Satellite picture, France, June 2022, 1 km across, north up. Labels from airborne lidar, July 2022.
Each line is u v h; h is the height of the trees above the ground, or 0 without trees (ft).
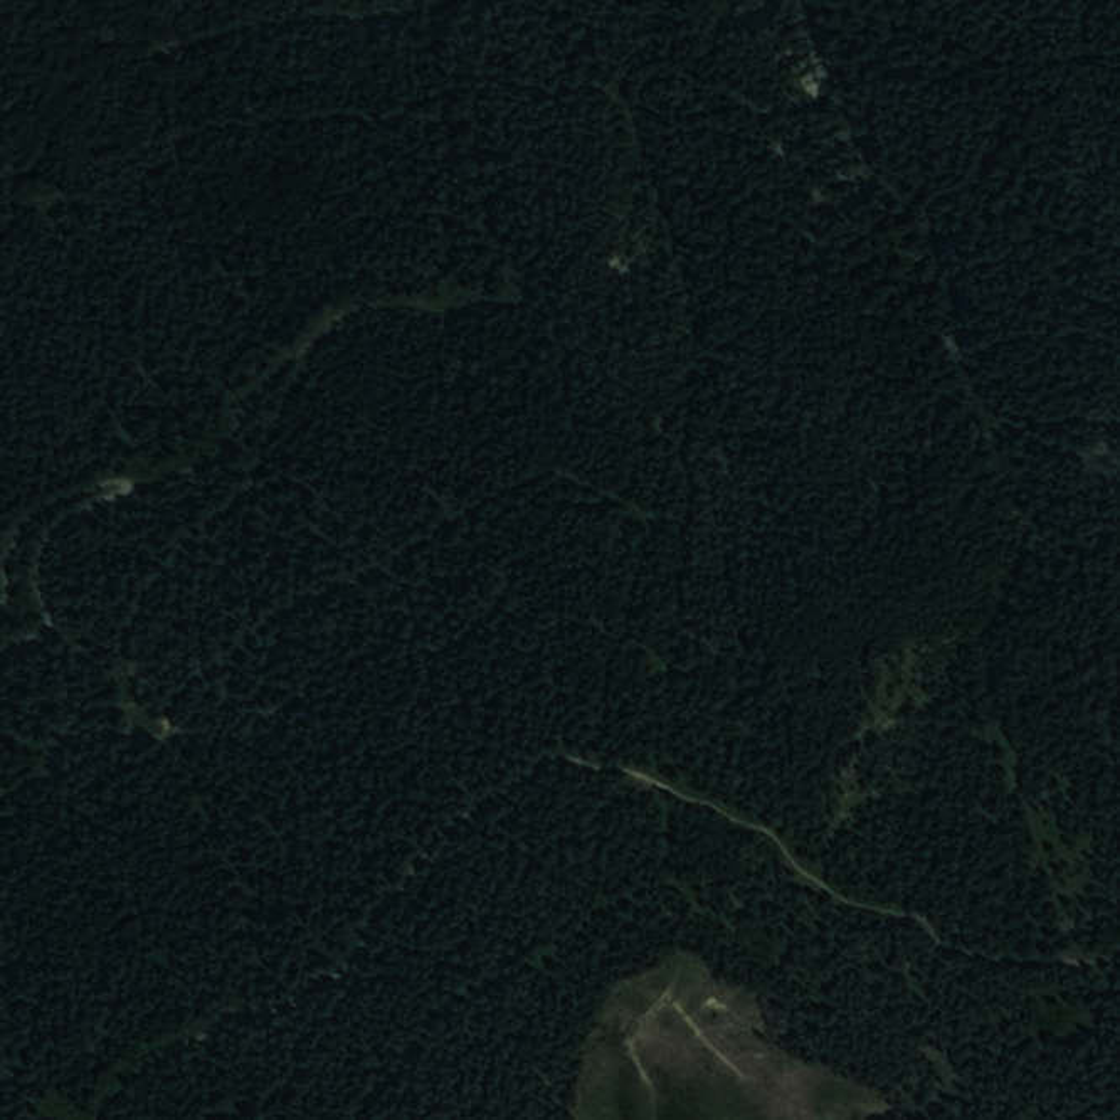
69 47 84
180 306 68
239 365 61
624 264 22
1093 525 89
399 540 65
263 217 59
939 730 91
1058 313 81
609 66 82
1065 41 104
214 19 81
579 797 88
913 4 31
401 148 63
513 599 40
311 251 52
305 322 41
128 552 31
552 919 85
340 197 62
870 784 86
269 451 57
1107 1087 95
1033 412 102
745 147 107
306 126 46
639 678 51
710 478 44
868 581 91
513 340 67
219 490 42
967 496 28
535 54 98
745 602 78
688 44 91
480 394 106
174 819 63
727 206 91
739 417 100
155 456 63
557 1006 74
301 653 86
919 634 68
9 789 44
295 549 47
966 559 75
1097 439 34
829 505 77
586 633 73
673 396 74
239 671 33
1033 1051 99
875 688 66
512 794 31
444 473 97
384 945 79
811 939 95
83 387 84
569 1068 42
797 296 89
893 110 83
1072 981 80
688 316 53
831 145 33
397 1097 43
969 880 90
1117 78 65
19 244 104
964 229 21
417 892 36
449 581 30
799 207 77
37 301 50
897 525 85
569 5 58
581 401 83
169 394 114
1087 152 57
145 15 67
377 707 85
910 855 88
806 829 69
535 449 81
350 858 84
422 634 63
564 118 111
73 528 52
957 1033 84
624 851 84
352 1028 59
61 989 81
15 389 89
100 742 59
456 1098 72
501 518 45
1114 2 107
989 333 124
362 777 95
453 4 40
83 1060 57
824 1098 0
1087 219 63
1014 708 88
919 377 87
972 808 94
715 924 35
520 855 102
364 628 73
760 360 90
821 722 89
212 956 72
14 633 35
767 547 84
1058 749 90
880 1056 105
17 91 73
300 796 95
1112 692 97
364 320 51
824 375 86
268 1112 76
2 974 50
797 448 75
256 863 87
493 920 91
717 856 57
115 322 79
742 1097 0
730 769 65
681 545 89
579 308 57
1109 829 86
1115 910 87
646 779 0
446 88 60
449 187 52
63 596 61
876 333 99
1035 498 68
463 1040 62
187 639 66
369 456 37
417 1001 86
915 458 56
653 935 55
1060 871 83
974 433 89
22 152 81
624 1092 0
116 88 68
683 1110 0
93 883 47
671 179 105
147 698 55
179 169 39
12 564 24
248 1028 73
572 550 89
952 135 95
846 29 89
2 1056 75
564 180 82
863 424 60
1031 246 95
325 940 37
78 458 80
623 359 87
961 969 95
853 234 46
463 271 65
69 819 35
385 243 39
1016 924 88
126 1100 39
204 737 66
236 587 68
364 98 68
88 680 92
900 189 98
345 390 38
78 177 62
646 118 38
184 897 74
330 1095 75
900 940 96
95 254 44
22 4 60
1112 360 67
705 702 94
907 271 75
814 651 67
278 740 81
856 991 96
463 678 91
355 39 73
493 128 118
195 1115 40
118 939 20
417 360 61
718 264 73
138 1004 79
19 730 40
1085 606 84
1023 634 97
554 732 42
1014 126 108
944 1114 92
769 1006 88
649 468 85
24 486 87
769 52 86
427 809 74
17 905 71
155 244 107
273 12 43
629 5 100
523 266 72
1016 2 109
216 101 55
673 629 31
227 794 35
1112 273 89
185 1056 92
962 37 90
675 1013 0
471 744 88
